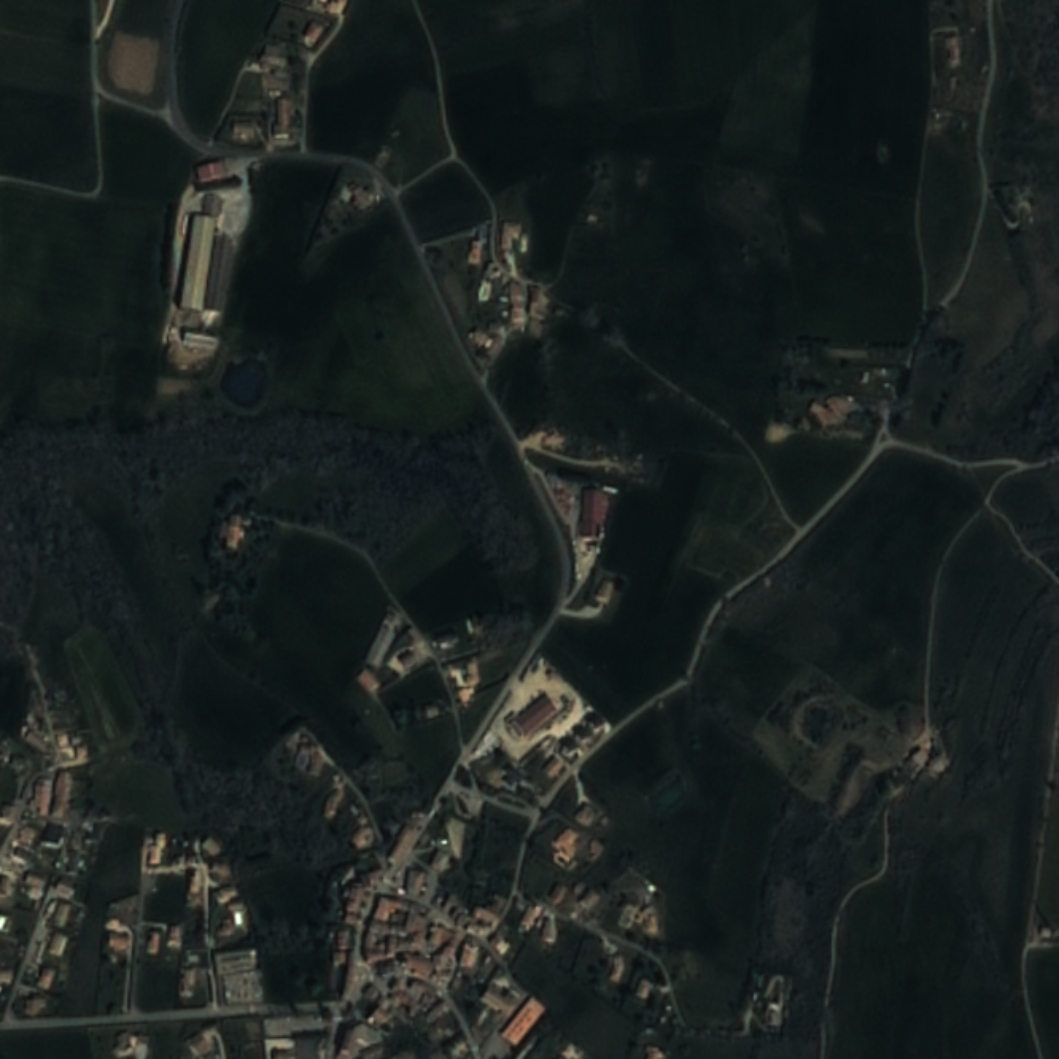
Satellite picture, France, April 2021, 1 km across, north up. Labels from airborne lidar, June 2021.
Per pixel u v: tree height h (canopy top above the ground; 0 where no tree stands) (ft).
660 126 0
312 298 0
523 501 0
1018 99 0
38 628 0
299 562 0
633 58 0
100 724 0
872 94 0
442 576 0
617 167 0
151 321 0
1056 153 0
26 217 0
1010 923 0
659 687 0
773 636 0
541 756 0
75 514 29
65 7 0
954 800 0
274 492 0
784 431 0
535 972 0
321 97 0
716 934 0
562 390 0
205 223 0
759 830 0
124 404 0
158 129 0
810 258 0
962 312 0
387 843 39
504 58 0
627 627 0
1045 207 0
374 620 0
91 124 0
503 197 0
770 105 0
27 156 0
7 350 0
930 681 0
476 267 25
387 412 0
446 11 0
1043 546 19
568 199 0
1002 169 0
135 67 0
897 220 0
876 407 25
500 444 0
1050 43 24
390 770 0
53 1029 0
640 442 0
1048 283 0
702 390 0
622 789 0
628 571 0
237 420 22
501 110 0
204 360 0
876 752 0
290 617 0
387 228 0
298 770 24
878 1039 0
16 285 0
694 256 0
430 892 0
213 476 0
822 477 0
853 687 0
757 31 0
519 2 0
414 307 0
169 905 0
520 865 0
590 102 0
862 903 0
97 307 0
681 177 0
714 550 0
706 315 0
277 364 0
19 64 0
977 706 0
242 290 0
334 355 0
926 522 0
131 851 0
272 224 0
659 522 0
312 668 0
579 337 0
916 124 0
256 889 0
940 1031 0
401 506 39
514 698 0
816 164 0
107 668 0
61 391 0
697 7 0
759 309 0
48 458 52
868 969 0
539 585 0
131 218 0
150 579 0
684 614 0
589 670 0
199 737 0
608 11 0
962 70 22
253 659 0
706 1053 0
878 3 0
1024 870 0
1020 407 0
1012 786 0
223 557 28
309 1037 25
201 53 0
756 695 0
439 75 0
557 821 0
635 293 0
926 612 0
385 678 29
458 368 0
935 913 0
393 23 0
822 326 0
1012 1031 0
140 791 0
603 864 0
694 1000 0
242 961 0
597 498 0
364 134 0
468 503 66
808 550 0
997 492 0
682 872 0
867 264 0
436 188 0
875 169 0
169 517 0
